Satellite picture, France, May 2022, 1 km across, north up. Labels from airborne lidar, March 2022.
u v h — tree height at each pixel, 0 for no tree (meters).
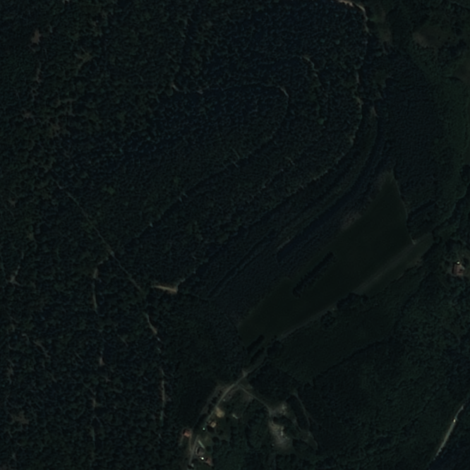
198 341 12
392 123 23
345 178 28
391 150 26
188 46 33
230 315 20
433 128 22
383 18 0
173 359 17
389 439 22
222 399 0
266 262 28
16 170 11
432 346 24
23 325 18
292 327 0
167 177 21
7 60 9
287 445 0
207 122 36
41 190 8
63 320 30
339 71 36
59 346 27
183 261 23
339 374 16
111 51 26
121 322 33
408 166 23
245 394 0
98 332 9
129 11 30
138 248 27
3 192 15
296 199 14
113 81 25
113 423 30
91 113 34
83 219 26
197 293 20
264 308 0
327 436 19
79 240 30
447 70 15
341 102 30
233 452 23
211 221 18
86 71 11
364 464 17
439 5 28
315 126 26
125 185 26
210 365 17
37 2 11
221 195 26
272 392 14
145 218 23
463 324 17
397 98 24
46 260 29
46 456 21
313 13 26
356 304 13
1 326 19
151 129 16
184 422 15
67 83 19
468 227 19
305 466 20
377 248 0
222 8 31
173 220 20
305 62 11
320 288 0
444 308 23
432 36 0
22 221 11
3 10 23
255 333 0
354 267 0
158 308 29
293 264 27
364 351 16
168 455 16
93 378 28
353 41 6
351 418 21
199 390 14
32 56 9
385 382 15
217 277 27
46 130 19
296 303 0
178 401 13
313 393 16
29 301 20
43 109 20
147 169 25
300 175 27
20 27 14
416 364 19
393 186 0
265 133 19
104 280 29
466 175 22
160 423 19
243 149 22
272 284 26
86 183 34
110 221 24
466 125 18
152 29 30
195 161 22
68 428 33
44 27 9
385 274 0
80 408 31
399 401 19
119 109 33
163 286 10
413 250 0
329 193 25
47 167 13
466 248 19
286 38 7
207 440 0
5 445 14
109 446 23
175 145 32
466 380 18
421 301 16
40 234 30
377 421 17
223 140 21
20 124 15
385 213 0
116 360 31
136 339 33
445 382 15
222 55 7
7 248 15
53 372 33
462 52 17
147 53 29
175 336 14
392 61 22
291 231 9
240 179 18
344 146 27
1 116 16
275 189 32
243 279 28
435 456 0
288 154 21
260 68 37
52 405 35
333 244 0
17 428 17
